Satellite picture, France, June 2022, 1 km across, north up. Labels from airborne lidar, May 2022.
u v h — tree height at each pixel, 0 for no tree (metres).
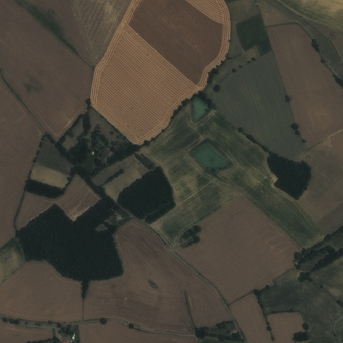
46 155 0
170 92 0
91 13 0
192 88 0
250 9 0
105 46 0
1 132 0
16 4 0
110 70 0
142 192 18
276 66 0
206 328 8
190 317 0
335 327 0
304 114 0
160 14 0
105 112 0
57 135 0
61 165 0
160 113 0
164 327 0
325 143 0
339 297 0
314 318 0
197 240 15
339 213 0
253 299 0
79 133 0
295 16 0
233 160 0
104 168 8
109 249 19
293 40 0
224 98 0
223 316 0
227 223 0
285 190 9
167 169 0
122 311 0
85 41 0
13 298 0
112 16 0
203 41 0
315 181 0
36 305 0
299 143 0
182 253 0
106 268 19
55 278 0
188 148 0
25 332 0
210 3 0
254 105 0
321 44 0
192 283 0
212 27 0
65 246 19
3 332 0
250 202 0
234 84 0
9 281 0
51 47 0
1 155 0
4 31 0
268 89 0
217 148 0
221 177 0
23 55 0
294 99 0
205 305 0
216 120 0
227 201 0
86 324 0
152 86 0
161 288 0
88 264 19
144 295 0
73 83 0
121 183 0
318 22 0
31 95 0
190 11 0
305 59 0
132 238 0
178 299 0
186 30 0
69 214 0
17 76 0
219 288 0
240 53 0
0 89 0
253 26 0
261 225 0
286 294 0
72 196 0
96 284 0
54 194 14
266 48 0
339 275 0
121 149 8
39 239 17
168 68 0
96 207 16
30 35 0
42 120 0
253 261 0
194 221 0
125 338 0
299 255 18
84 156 9
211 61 0
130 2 0
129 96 0
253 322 0
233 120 0
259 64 0
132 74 0
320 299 0
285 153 0
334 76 11
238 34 0
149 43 0
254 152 0
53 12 0
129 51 0
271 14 0
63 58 0
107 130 0
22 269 0
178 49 0
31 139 0
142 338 0
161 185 20
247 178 0
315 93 0
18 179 0
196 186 0
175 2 0
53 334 0
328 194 0
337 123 0
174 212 0
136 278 0
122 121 0
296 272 0
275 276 0
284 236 0
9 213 0
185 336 0
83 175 20
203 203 0
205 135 0
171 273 0
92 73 0
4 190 0
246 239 0
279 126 0
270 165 11
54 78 0
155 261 0
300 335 15
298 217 0
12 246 0
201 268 0
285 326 0
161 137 0
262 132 0
